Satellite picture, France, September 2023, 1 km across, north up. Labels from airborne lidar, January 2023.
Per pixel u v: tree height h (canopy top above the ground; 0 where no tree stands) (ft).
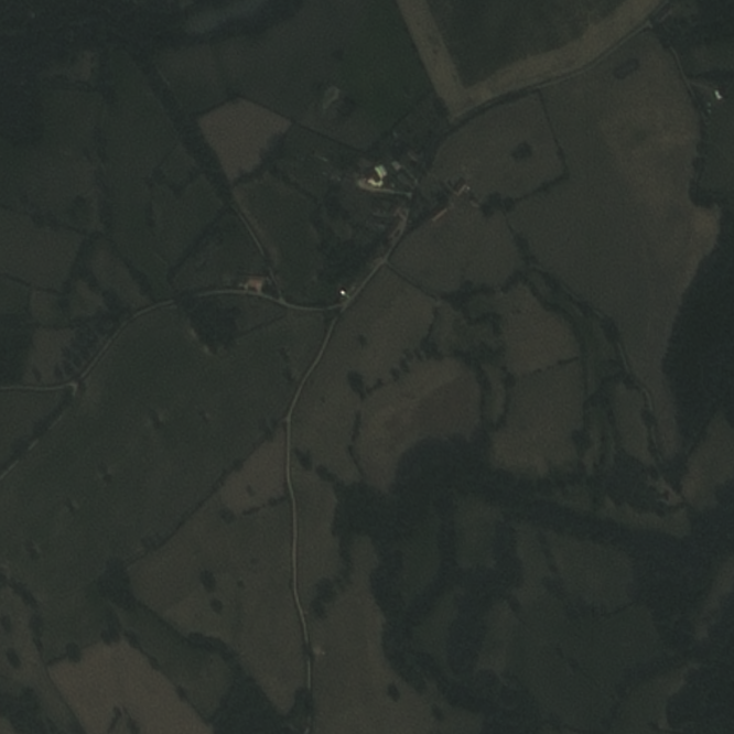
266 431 63
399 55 0
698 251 0
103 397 0
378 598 59
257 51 0
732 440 0
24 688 0
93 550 0
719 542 77
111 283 0
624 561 0
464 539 0
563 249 0
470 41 0
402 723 0
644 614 0
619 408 0
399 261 0
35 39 43
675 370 36
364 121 0
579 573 0
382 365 0
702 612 0
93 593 0
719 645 53
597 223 0
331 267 42
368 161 0
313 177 0
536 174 0
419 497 86
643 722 0
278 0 38
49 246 0
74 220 45
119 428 0
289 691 0
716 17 45
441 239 0
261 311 0
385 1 0
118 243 0
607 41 0
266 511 0
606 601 0
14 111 77
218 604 33
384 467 0
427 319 0
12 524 0
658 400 0
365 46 0
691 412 37
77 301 0
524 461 0
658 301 0
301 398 0
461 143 0
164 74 0
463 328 0
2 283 0
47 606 0
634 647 0
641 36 0
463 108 0
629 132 0
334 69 0
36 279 0
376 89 0
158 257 0
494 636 0
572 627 0
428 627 0
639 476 44
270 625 0
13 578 0
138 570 0
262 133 0
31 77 63
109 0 23
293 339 0
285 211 0
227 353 0
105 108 0
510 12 0
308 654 56
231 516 40
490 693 73
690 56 0
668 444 0
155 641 0
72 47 43
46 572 0
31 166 0
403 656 62
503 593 25
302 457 40
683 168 0
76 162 0
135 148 0
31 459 0
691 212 0
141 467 0
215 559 0
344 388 0
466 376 0
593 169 0
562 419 0
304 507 0
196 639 28
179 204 0
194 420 0
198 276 0
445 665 0
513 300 0
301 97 0
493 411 0
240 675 28
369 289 0
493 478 24
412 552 0
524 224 0
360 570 0
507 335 0
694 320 37
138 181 0
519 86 0
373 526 29
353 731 0
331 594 48
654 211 0
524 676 0
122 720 0
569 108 0
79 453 0
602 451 0
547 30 0
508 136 0
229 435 0
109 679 0
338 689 0
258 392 0
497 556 56
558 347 0
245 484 0
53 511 0
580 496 0
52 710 0
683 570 83
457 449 68
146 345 0
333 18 0
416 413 0
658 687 0
